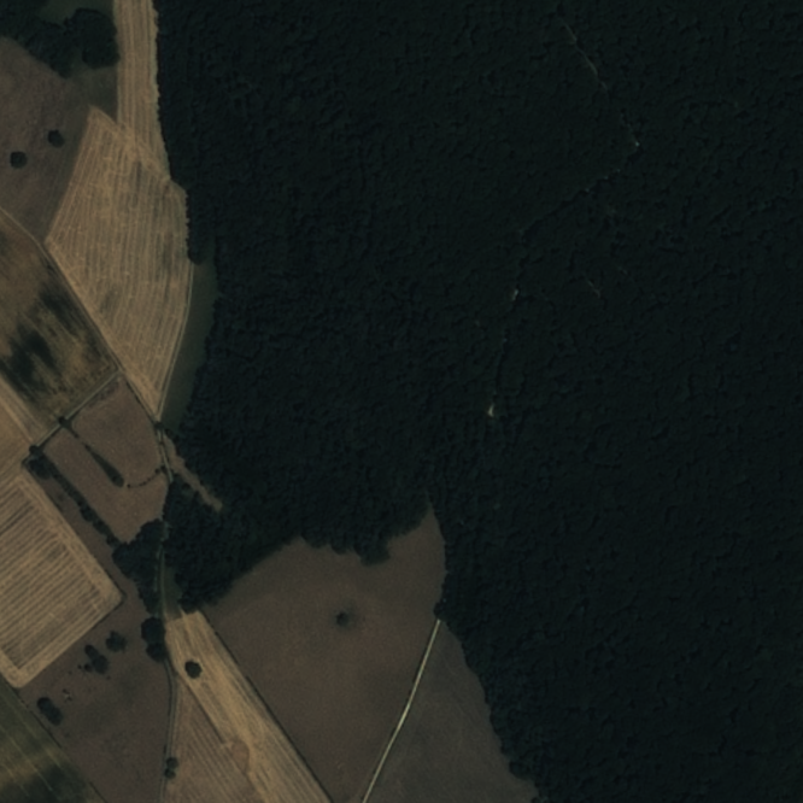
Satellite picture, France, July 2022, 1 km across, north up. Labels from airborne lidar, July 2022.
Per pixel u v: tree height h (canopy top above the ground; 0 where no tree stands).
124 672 0
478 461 26
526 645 30
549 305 27
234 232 24
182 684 0
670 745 32
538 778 8
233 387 25
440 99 28
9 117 0
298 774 0
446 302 25
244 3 22
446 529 20
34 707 0
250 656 0
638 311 27
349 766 0
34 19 21
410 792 0
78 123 0
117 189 0
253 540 34
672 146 27
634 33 29
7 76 0
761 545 30
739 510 30
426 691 0
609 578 33
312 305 29
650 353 30
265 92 25
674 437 29
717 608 30
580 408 25
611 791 30
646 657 32
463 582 21
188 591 9
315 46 23
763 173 29
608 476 30
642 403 28
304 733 0
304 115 20
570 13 28
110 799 0
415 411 25
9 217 0
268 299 22
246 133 18
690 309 30
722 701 28
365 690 0
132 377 0
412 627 0
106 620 0
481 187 28
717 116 31
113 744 0
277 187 28
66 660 0
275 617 0
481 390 24
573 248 24
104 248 0
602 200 29
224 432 16
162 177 0
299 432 29
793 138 31
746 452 32
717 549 30
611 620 28
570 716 29
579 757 33
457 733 0
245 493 27
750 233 28
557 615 32
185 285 0
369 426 24
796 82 28
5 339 0
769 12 24
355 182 21
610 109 26
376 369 24
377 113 29
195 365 0
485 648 27
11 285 0
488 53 26
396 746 0
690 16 29
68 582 0
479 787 0
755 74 28
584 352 28
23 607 0
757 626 31
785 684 23
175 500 22
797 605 31
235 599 0
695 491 31
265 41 32
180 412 0
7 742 0
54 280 0
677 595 30
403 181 27
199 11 29
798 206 30
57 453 0
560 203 26
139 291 0
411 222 27
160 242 0
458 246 29
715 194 30
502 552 22
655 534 29
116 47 22
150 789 0
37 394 0
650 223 29
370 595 0
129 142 0
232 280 25
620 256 26
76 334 0
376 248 27
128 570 26
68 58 21
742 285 27
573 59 27
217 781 0
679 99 22
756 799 33
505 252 23
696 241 29
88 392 0
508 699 23
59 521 0
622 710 30
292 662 0
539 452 29
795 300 30
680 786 31
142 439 0
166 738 0
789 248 30
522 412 15
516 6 21
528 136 29
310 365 29
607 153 26
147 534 19
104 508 0
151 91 0
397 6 29
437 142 27
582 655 29
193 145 28
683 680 25
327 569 0
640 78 30
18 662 0
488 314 25
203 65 9
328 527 30
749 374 31
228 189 22
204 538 24
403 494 24
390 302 29
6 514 0
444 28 30
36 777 0
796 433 33
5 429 0
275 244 29
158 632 23
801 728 22
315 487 26
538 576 31
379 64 26
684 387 28
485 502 24
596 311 30
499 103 27
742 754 27
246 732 0
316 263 26
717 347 30
